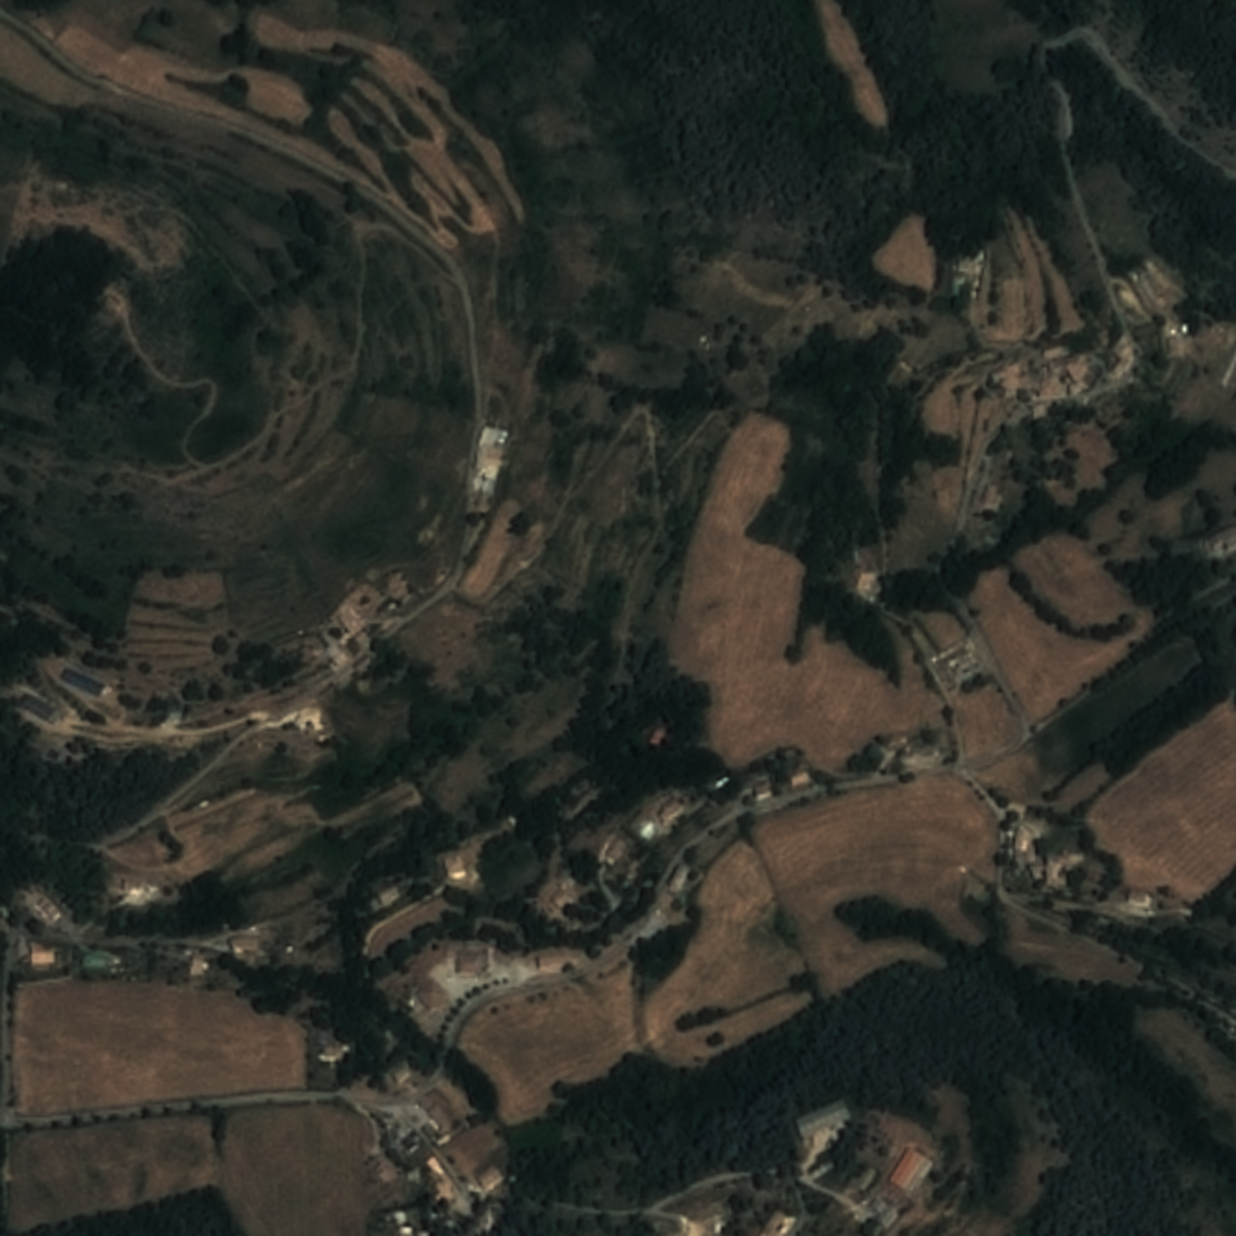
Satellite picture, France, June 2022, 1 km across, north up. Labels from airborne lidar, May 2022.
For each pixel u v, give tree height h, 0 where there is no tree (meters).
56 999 0
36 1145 0
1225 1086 0
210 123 0
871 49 11
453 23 0
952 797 0
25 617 8
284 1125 0
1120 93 14
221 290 6
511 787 9
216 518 0
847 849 0
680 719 20
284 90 0
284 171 0
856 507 12
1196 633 9
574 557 0
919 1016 13
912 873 0
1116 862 8
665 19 8
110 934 8
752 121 9
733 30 16
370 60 0
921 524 0
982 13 0
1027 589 16
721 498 0
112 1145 0
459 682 0
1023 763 0
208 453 0
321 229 10
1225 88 11
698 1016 7
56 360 9
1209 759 0
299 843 0
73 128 6
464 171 0
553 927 9
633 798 16
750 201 12
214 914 15
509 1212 13
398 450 0
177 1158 0
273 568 0
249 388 0
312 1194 0
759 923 0
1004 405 0
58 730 0
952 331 0
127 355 8
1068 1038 17
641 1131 7
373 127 8
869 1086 13
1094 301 13
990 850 0
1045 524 23
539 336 12
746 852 0
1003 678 0
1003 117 16
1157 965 9
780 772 14
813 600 11
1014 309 0
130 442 0
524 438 0
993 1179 14
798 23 12
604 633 10
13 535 9
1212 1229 0
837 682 0
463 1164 0
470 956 0
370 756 0
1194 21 14
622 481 0
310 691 0
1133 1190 18
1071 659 0
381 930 0
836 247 8
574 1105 11
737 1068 9
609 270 0
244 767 0
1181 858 0
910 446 8
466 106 6
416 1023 10
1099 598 0
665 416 8
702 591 0
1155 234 14
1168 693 7
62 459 0
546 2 9
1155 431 9
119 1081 0
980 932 0
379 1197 0
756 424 0
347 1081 13
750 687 0
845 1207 0
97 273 8
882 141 8
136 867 0
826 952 0
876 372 11
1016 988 8
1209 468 0
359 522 0
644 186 8
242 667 8
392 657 13
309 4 0
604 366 0
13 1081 0
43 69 0
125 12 0
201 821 0
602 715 20
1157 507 0
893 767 6
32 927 18
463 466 0
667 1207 0
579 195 0
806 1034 9
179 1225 14
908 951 0
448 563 0
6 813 13
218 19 0
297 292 8
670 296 11
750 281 0
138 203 0
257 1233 0
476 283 0
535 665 7
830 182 10
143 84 0
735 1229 7
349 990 14
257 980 15
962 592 11
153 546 0
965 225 12
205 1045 0
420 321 0
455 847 8
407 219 0
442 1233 13
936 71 14
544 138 0
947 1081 16
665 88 13
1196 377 5
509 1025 0
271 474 0
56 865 10
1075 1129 10
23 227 0
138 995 0
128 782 12
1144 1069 23
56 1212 0
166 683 0
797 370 12
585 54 0
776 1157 20
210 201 9
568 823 8
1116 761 11
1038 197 10
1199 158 13
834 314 0
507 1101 0
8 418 10
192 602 0
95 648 9
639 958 10
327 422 0
